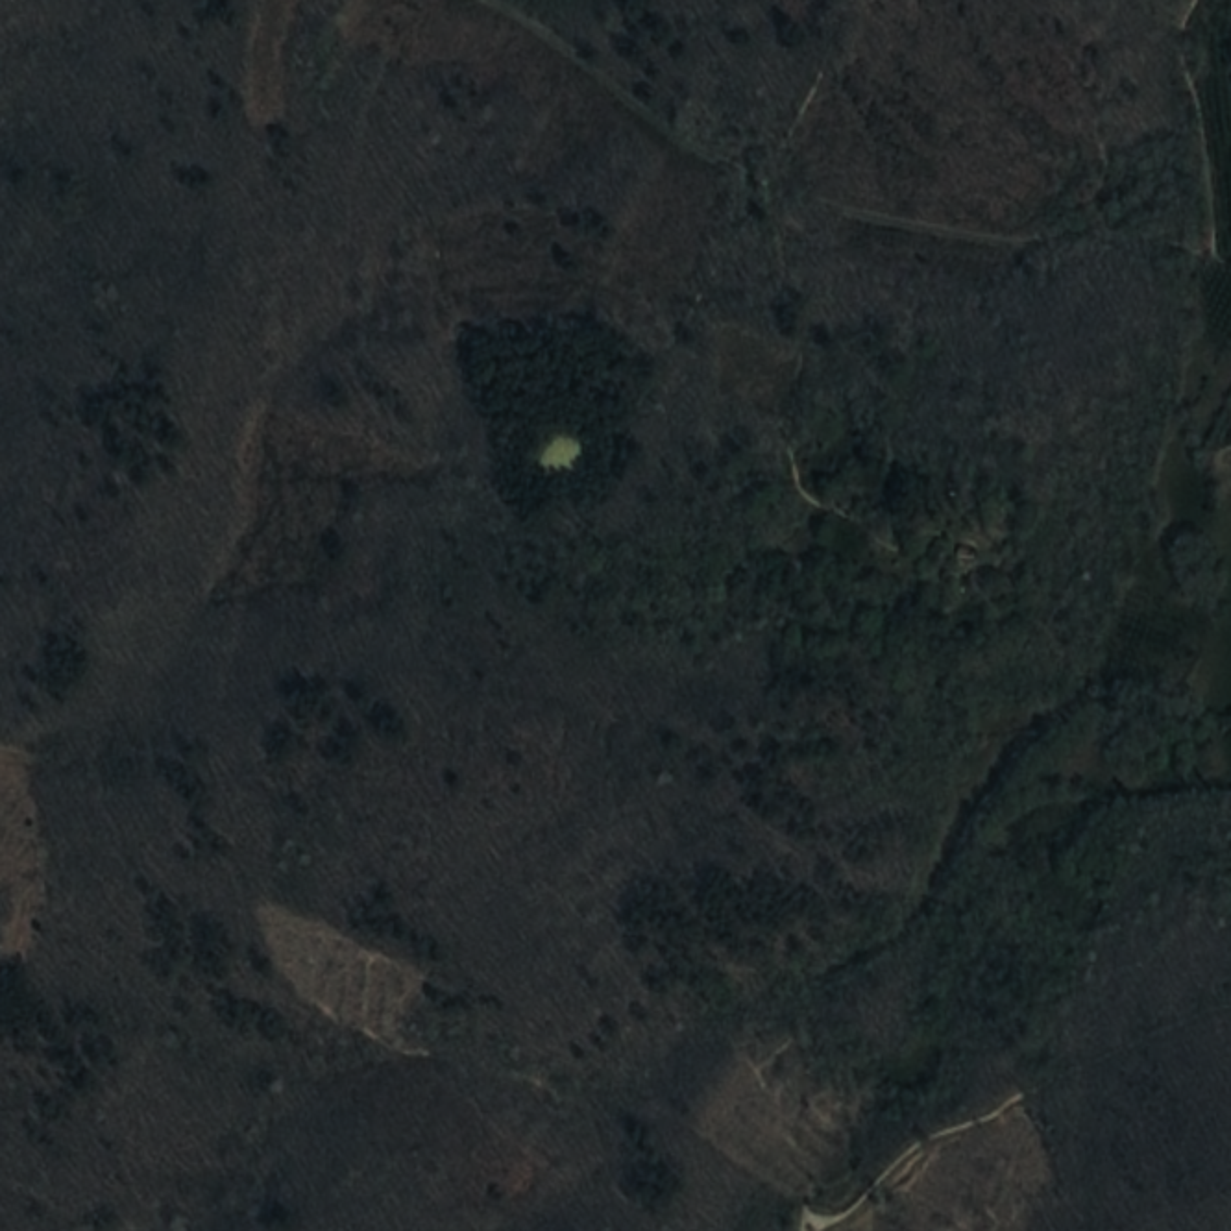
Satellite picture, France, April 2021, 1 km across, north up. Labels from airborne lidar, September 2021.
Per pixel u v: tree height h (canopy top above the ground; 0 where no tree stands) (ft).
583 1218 43
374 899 58
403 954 53
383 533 54
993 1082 48
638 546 70
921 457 65
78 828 65
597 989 92
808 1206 32
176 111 61
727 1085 60
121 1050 58
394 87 59
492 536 53
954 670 64
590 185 48
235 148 55
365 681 50
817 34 56
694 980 51
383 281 37
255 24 64
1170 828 60
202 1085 73
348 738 50
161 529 58
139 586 56
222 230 58
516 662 30
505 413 47
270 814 64
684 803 49
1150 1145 57
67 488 48
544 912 74
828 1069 56
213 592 27
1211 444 36
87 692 54
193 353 51
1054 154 66
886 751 68
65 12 63
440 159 45
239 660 66
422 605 57
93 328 65
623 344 56
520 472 57
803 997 79
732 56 58
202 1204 66
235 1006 75
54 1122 78
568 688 56
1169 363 66
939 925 69
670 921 68
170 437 88
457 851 53
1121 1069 52
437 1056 69
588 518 56
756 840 60
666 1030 67
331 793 53
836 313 48
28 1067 52
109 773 55
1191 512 0
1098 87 37
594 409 53
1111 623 51
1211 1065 63
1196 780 20
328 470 25
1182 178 57
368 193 53
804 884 50
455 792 68
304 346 61
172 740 57
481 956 63
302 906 64
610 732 34
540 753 46
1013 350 63
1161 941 62
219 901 59
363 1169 65
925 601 57
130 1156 62
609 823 71
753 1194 40
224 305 55
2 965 51
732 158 27
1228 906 72
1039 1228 47
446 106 38
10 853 0
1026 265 66
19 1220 58
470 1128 31
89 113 62
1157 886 57
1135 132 51
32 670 58
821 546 65
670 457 61
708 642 55
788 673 30
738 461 94
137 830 68
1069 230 38
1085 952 52
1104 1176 55
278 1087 83
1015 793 90
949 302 67
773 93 55
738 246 52
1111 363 61
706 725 48
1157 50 55
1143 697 89
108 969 68
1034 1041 70
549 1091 45
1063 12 31
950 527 27
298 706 89
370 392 68
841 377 60
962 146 24
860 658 32
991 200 21
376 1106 32
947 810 50
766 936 79
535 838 38
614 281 49
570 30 53
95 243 63
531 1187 21
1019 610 36
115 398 50
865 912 72
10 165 63
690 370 57
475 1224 53
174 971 94
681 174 19
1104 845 76
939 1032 79
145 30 50
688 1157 51
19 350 75
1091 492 69
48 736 57
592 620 72
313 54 70
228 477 59
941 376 68
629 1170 45
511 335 74
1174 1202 53
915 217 33
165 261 61
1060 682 64
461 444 56
